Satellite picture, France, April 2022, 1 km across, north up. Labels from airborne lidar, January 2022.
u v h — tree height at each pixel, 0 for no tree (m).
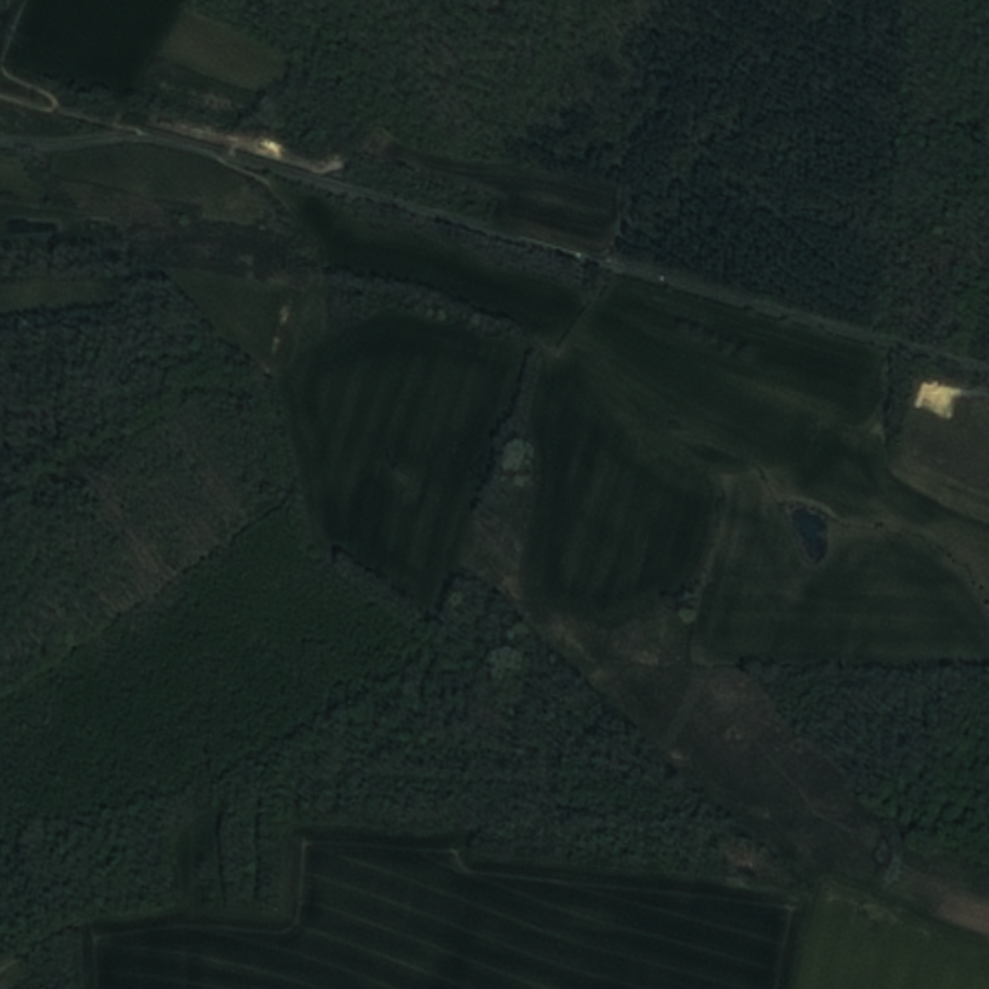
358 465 0
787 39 23
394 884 0
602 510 0
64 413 17
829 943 0
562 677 19
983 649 0
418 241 0
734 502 0
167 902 17
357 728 17
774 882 0
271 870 8
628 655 0
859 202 19
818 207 19
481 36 27
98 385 15
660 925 0
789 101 19
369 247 0
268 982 0
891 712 26
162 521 0
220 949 0
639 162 19
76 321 11
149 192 0
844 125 19
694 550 0
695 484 0
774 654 0
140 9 0
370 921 0
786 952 0
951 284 11
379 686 14
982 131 24
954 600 0
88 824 21
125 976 0
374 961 0
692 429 0
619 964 0
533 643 24
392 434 0
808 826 0
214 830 0
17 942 15
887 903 0
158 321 24
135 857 19
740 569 0
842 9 20
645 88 19
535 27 22
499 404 0
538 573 0
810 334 0
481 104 25
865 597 0
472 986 0
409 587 0
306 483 0
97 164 0
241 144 0
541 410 0
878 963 0
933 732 24
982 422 0
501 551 0
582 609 0
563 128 22
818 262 20
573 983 0
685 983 0
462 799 7
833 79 12
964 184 18
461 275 0
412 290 18
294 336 0
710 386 0
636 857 17
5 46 0
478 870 0
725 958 0
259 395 23
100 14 0
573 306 0
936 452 0
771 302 15
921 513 0
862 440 0
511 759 6
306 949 0
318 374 0
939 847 23
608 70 24
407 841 0
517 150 21
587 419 0
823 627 0
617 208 0
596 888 0
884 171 17
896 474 0
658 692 0
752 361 16
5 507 24
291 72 15
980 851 24
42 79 11
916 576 0
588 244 0
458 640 26
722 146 20
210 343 22
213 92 0
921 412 0
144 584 0
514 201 0
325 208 0
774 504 0
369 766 10
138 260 11
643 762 23
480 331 14
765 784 0
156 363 9
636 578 0
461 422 0
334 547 0
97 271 22
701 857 24
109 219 0
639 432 0
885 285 18
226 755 13
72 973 8
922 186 23
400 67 22
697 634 0
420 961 0
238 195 0
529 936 0
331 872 0
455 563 0
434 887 0
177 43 0
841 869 0
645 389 0
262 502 8
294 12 20
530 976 0
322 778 18
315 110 21
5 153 6
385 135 0
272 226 18
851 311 18
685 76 21
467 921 0
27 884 19
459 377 0
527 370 12
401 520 0
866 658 0
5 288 0
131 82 0
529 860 10
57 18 0
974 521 0
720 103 20
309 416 0
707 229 20
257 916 0
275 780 19
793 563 0
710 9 23
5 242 0
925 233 13
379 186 6
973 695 21
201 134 0
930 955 0
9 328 16
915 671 7
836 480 0
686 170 10
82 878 19
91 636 22
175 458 0
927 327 21
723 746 0
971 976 0
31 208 0
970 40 21
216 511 0
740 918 0
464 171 0
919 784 22
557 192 0
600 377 0
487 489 15
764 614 0
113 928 0
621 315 0
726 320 0
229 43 0
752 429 0
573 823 17
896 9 19
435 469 0
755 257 21
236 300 0
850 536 0
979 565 0
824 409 0
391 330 0
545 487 0
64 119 10
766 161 19
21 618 23
